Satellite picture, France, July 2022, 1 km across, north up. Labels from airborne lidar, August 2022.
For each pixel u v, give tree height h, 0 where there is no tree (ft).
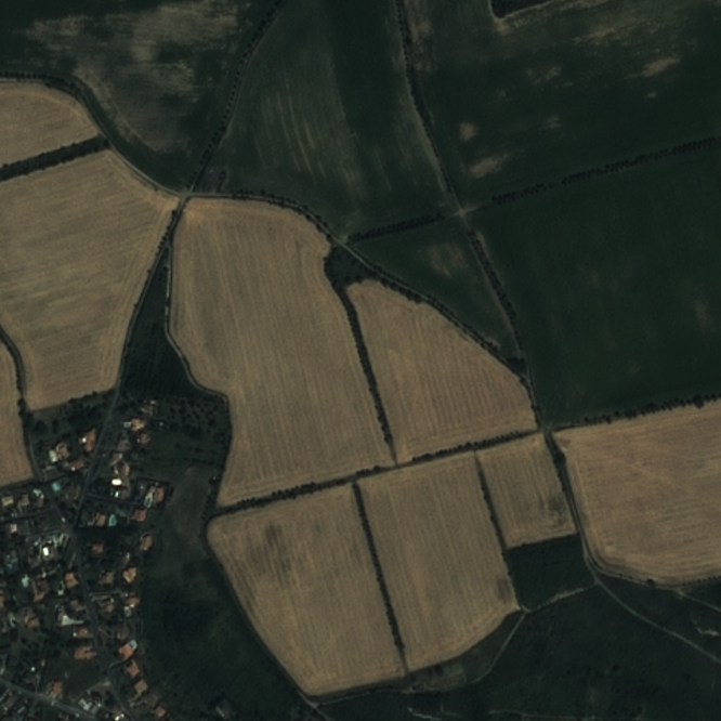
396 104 0
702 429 0
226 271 0
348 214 0
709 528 0
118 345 0
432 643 0
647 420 0
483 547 0
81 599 46
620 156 0
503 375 0
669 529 0
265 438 0
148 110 0
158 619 17
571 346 0
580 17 0
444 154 0
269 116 0
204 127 0
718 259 0
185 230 0
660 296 0
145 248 0
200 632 20
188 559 0
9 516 26
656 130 0
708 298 0
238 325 0
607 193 0
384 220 0
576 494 0
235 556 0
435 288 0
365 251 0
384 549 0
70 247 0
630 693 18
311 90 0
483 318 0
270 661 20
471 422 0
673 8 0
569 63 0
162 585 0
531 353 0
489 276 20
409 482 0
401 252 0
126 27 0
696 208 0
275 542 0
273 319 0
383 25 0
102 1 0
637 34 0
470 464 0
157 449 0
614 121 0
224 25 0
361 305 0
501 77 0
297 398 0
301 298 0
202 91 0
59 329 0
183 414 22
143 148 0
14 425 0
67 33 0
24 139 0
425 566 0
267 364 0
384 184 0
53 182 0
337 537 0
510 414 0
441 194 0
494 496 0
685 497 0
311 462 0
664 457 0
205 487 0
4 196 0
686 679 32
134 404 27
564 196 0
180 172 0
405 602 0
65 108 0
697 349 0
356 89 0
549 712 18
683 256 0
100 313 0
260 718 21
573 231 0
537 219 0
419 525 0
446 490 0
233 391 0
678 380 0
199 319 0
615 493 0
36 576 27
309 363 0
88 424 24
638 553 0
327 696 0
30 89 0
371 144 0
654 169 0
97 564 26
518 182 0
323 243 0
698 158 0
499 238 0
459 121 0
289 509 0
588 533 0
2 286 0
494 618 0
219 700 39
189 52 0
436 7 0
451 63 0
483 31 0
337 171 0
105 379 0
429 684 0
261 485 0
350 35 0
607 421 26
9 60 0
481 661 0
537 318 0
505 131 0
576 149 0
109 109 0
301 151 0
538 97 0
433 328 0
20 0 0
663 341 0
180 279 0
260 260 0
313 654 0
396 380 0
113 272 0
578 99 0
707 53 0
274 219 0
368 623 0
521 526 0
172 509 0
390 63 0
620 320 0
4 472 0
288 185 0
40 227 0
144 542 0
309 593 0
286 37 0
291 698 19
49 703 0
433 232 0
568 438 0
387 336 0
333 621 0
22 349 0
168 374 19
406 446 0
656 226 0
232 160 0
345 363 0
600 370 0
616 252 0
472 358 0
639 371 0
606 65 0
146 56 0
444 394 0
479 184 0
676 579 0
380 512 0
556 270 0
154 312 0
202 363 0
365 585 0
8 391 0
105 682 0
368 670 0
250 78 0
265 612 0
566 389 0
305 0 0
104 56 0
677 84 0
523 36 0
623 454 0
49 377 0
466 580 0
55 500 19
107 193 0
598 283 0
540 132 0
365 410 0
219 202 0
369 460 0
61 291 0
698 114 0
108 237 0
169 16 0
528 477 0
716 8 0
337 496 0
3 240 0
